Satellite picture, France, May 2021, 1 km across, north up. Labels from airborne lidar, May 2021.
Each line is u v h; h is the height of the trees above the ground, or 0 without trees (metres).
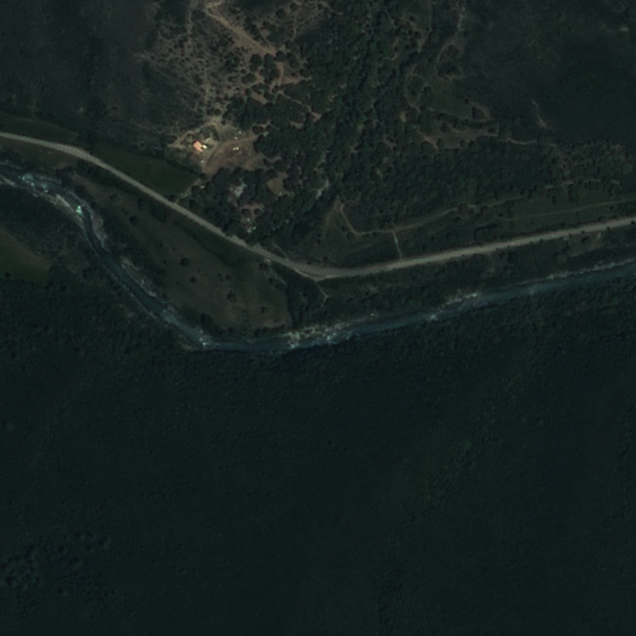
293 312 12
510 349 8
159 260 0
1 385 6
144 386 8
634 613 7
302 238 7
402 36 14
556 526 7
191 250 0
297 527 7
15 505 5
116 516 7
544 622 6
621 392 7
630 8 8
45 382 9
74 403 9
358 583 7
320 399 7
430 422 8
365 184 11
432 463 7
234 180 10
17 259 0
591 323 16
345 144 18
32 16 0
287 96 9
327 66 11
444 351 11
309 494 7
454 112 0
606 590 6
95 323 7
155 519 6
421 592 8
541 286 0
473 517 8
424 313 0
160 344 13
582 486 6
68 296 8
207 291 0
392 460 7
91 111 9
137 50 0
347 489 7
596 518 7
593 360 9
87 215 0
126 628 7
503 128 10
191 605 5
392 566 15
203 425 7
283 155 6
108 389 5
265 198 13
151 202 6
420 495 8
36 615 11
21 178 0
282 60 14
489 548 9
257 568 7
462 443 11
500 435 8
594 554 7
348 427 8
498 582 7
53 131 0
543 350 13
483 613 6
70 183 15
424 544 6
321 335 0
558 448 6
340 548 8
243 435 7
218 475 7
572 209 0
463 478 8
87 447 5
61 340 18
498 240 10
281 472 7
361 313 7
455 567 7
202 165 0
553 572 6
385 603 15
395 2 8
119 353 13
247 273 0
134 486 7
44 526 6
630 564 8
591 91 5
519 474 7
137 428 7
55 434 9
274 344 0
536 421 6
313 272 0
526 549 6
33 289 11
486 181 12
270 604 6
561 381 7
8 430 17
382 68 10
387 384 8
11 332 12
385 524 9
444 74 10
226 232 16
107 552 8
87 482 6
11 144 0
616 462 7
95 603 7
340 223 0
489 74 0
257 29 12
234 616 7
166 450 7
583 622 6
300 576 5
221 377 8
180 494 7
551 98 9
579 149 14
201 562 7
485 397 8
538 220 0
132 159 0
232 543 6
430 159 14
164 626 7
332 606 6
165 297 10
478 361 7
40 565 7
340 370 10
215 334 8
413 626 7
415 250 0
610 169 11
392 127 13
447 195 7
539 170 9
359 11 17
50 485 7
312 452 9
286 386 7
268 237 12
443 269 6
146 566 7
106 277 7
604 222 10
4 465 7
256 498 7
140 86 0
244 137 0
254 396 7
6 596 6
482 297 0
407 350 12
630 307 8
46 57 0
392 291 7
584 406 7
